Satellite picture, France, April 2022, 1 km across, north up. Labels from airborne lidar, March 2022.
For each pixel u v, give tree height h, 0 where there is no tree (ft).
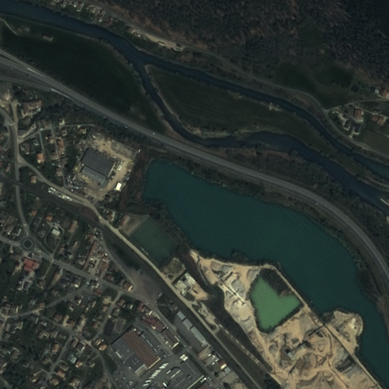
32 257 0
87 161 0
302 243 0
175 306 0
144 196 0
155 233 0
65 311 0
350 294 0
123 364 0
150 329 0
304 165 63
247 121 0
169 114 0
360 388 0
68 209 0
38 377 0
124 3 93
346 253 0
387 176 0
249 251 0
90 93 0
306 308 0
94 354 0
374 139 0
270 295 0
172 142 0
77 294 0
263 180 0
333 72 0
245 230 0
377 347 0
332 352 0
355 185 0
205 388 0
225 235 0
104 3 88
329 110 0
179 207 0
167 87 0
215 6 63
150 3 75
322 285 0
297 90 0
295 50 69
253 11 90
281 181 0
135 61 0
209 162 0
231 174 0
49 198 0
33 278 0
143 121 0
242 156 39
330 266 0
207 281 0
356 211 51
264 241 0
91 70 0
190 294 0
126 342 0
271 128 0
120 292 0
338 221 0
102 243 0
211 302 0
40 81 0
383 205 0
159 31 0
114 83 0
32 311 0
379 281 0
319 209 0
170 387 0
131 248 0
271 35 81
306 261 0
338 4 85
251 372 0
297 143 0
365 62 105
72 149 0
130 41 0
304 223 0
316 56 58
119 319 0
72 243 0
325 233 0
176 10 68
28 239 0
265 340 0
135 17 91
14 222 0
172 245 0
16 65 0
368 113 0
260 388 0
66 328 0
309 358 0
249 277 0
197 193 0
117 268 0
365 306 0
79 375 0
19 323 0
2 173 0
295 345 0
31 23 0
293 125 0
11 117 0
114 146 0
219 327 0
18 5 0
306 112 0
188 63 34
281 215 0
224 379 0
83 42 0
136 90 0
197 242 0
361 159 0
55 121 50
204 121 0
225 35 88
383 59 92
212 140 0
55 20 0
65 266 0
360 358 24
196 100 0
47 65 0
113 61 0
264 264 30
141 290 0
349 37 90
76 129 0
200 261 0
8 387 0
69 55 0
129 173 0
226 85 0
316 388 0
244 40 81
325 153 26
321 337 0
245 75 0
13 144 0
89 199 0
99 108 0
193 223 0
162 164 0
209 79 0
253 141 0
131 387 0
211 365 0
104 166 0
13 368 32
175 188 0
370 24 75
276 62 73
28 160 0
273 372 0
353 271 0
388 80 81
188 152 0
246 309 0
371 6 41
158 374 0
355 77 0
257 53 87
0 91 0
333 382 0
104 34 0
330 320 0
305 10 97
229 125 0
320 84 0
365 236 0
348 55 103
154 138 0
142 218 0
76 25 0
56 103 0
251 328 0
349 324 0
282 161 65
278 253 0
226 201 0
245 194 0
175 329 0
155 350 0
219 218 0
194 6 83
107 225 0
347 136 0
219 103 0
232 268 0
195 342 0
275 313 0
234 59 46
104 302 0
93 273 0
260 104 0
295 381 0
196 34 91
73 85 0
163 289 0
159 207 23
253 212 0
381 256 0
